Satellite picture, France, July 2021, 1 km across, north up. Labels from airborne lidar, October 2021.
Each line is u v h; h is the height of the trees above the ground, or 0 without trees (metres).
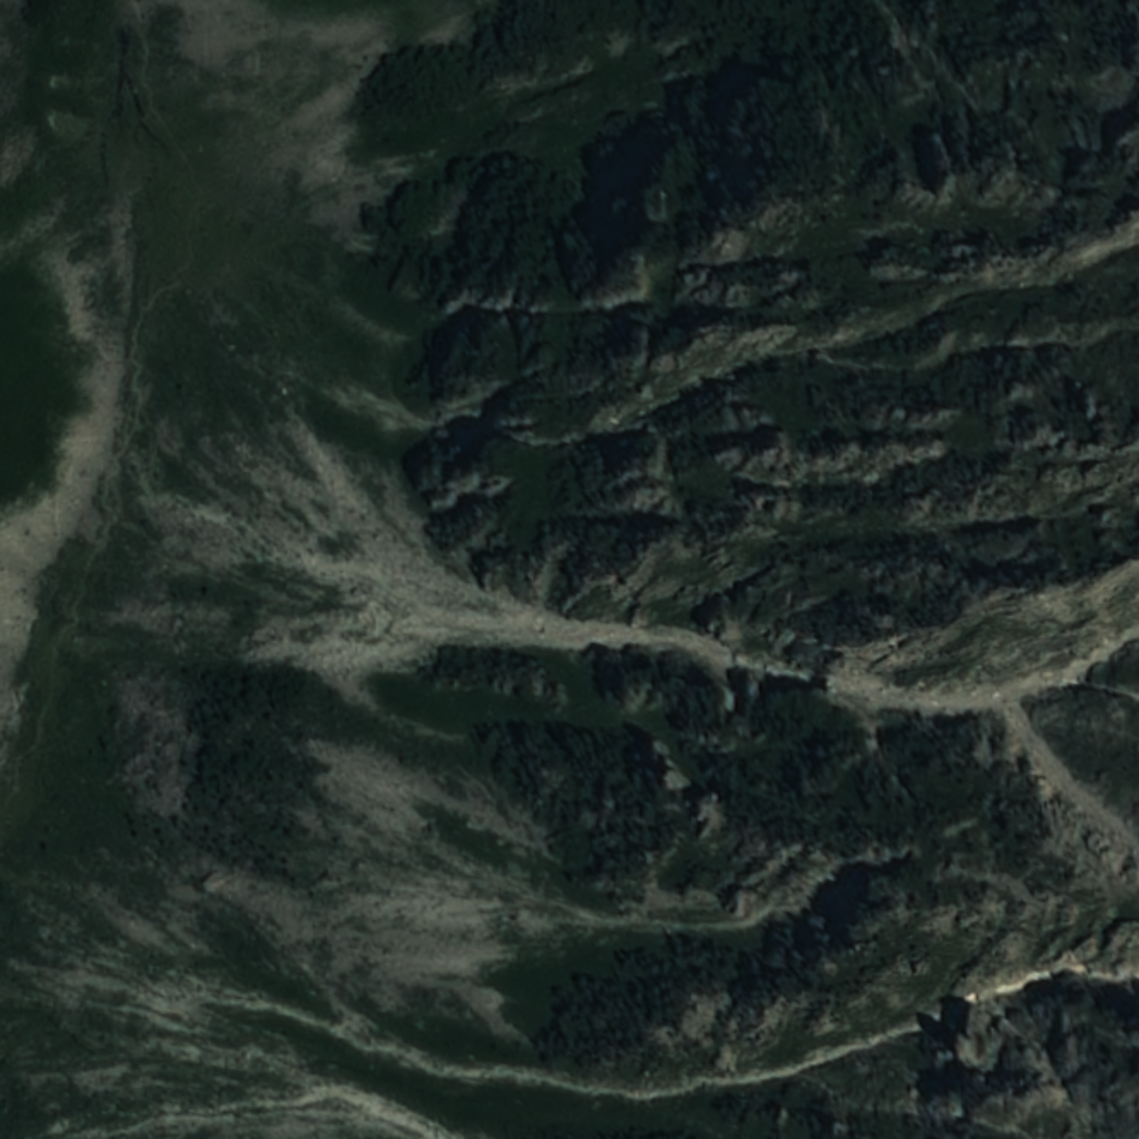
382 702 0
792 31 7
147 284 0
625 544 7
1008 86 8
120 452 0
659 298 0
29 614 0
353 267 0
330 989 0
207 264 0
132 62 0
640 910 0
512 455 0
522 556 7
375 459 0
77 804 0
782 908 0
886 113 0
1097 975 0
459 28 0
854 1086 0
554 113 0
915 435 6
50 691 0
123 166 0
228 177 0
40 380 0
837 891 0
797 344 0
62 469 0
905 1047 0
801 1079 0
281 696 11
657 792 13
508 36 16
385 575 0
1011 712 0
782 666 0
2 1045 0
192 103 0
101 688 0
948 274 14
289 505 0
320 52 0
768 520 0
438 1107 0
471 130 0
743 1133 0
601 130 0
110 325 0
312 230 0
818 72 7
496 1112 0
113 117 0
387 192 0
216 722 14
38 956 0
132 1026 0
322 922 0
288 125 0
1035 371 6
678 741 0
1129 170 0
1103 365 0
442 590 0
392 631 0
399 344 0
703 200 10
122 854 0
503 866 0
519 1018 0
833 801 8
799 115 10
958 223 0
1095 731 0
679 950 11
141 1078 0
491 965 0
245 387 0
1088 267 0
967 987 0
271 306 0
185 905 0
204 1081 0
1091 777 0
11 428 0
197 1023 0
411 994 0
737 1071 0
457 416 0
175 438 0
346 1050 0
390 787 0
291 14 0
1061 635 0
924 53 0
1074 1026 0
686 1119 0
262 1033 0
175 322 0
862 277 0
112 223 0
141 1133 0
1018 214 0
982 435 0
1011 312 0
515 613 0
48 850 12
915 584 0
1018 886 0
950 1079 0
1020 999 0
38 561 0
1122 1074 0
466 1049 0
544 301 0
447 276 14
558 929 0
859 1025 0
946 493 9
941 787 0
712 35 10
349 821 0
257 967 0
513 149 0
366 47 0
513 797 0
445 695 0
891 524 0
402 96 10
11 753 0
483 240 12
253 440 0
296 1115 0
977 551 0
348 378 0
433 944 0
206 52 0
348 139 0
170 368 0
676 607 0
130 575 0
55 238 0
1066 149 0
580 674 0
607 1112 0
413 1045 0
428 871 0
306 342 0
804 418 0
